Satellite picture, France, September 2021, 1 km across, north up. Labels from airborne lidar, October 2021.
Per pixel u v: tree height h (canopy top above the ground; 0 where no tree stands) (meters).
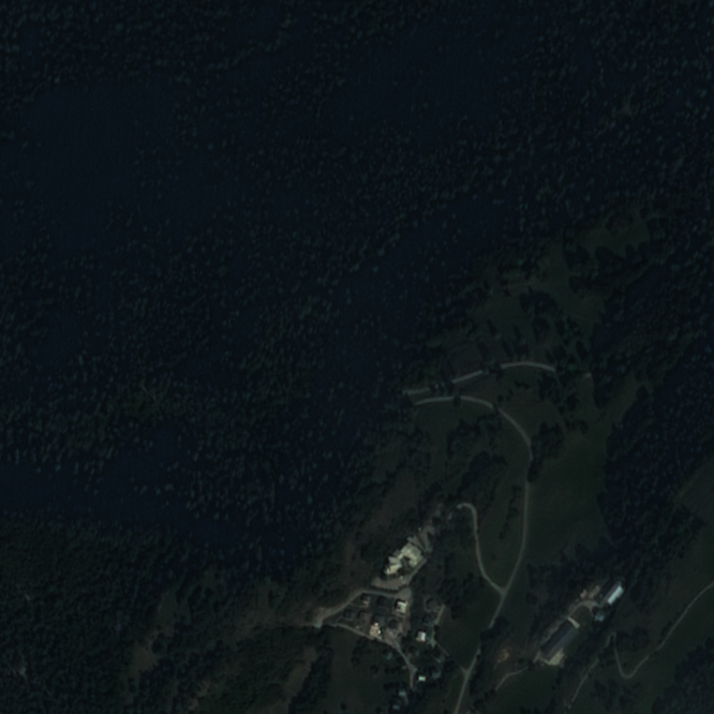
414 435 7
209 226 26
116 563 18
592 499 0
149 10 28
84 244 22
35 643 17
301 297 8
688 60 6
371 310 21
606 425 0
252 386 9
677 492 16
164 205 20
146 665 0
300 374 15
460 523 9
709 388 28
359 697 0
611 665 8
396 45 23
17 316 21
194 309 29
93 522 20
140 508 8
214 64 29
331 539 9
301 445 14
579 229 22
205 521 14
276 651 10
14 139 26
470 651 0
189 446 11
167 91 27
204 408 24
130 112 27
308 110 34
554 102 20
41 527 15
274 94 28
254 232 27
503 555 0
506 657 0
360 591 0
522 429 0
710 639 0
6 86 27
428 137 20
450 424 0
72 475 32
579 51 8
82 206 27
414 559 0
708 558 0
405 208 19
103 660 21
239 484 20
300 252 21
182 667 7
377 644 12
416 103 28
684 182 21
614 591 0
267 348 22
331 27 22
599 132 20
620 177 33
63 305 25
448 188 17
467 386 0
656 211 18
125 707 6
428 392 0
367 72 28
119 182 35
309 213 16
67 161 32
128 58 29
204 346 20
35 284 32
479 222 19
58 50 41
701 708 16
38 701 21
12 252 28
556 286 0
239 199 34
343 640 0
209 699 6
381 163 24
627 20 26
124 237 32
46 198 21
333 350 12
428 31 20
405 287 21
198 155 24
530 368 0
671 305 24
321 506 19
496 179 10
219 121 23
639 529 19
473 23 23
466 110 28
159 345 27
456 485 0
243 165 24
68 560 15
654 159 19
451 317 15
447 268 20
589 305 0
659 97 11
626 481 20
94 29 24
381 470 0
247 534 8
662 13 22
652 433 21
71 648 19
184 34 30
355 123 21
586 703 0
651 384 15
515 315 0
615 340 19
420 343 22
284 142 22
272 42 38
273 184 28
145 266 24
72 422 26
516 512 9
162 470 13
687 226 30
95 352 25
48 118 19
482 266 20
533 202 33
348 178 22
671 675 0
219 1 23
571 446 0
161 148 29
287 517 12
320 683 7
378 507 9
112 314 24
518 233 32
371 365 17
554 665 0
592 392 0
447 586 12
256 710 7
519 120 22
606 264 22
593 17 25
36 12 37
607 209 21
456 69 27
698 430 33
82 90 32
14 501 27
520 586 0
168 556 20
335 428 22
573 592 18
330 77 28
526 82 22
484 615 0
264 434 15
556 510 0
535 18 25
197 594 19
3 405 22
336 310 14
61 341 20
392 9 21
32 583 18
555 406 12
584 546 0
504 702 0
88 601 19
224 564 17
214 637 7
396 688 7
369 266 10
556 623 0
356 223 20
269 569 10
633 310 23
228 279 15
